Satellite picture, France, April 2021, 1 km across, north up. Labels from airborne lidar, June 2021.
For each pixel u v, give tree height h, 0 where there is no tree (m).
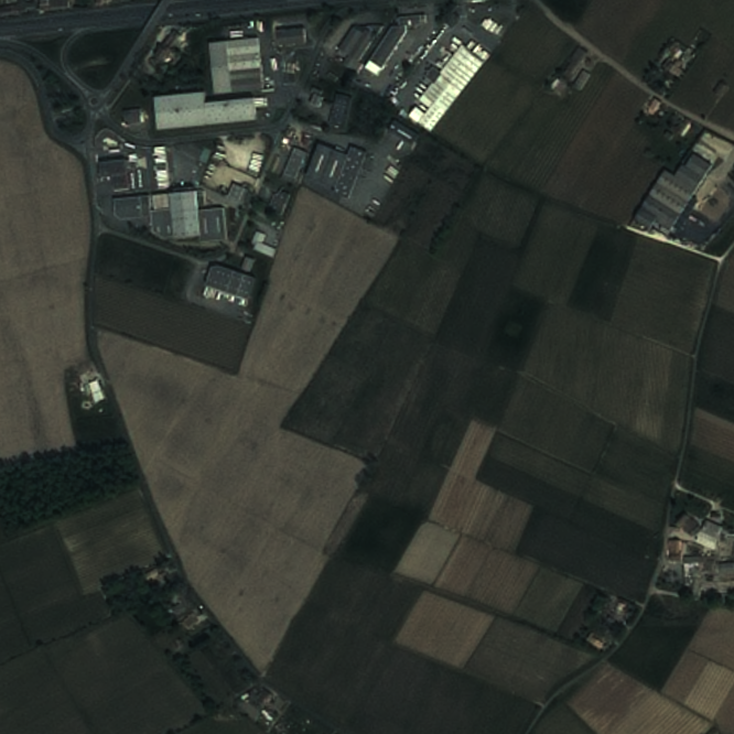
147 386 0
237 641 0
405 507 0
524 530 0
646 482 0
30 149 0
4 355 0
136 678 0
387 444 0
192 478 0
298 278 0
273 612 0
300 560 0
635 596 0
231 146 0
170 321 0
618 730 0
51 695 0
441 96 0
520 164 0
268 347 0
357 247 0
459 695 0
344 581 0
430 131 7
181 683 0
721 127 0
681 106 0
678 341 0
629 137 0
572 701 0
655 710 0
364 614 0
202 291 0
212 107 0
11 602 0
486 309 0
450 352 0
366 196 0
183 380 0
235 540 0
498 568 0
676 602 0
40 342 0
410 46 0
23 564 0
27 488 15
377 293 0
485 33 0
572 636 0
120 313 0
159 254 0
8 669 0
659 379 0
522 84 0
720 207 0
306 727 0
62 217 0
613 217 0
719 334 0
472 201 0
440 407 0
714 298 0
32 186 0
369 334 0
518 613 0
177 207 0
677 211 0
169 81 9
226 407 0
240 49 0
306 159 6
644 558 0
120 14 0
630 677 0
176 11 0
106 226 0
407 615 0
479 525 0
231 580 0
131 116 0
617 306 0
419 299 0
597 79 0
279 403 0
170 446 0
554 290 0
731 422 0
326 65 0
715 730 0
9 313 0
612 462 0
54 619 0
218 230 0
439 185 0
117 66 0
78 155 0
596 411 0
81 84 0
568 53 0
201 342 0
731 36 0
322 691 0
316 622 0
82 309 0
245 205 9
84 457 20
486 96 0
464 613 0
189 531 0
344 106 0
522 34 0
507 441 0
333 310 0
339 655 0
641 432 0
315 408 0
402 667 0
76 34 0
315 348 0
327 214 0
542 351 0
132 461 16
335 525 0
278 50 0
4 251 0
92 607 0
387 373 0
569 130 0
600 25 0
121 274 0
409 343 0
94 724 0
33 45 0
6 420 0
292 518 0
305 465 0
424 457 0
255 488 0
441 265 0
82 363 0
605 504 0
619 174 0
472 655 0
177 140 0
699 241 0
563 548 0
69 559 0
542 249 0
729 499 0
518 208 0
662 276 0
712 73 0
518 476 0
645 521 0
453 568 0
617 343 0
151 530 0
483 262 0
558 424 0
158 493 0
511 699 0
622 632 13
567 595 0
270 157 0
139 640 0
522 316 0
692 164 0
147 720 0
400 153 0
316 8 0
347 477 0
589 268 0
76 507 11
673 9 0
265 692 0
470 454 0
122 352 0
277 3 0
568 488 0
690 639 0
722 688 0
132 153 0
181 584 16
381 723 0
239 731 0
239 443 0
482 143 0
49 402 0
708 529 0
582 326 0
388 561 0
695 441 0
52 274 0
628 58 0
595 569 0
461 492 0
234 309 0
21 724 0
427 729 0
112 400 0
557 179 0
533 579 0
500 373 0
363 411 0
